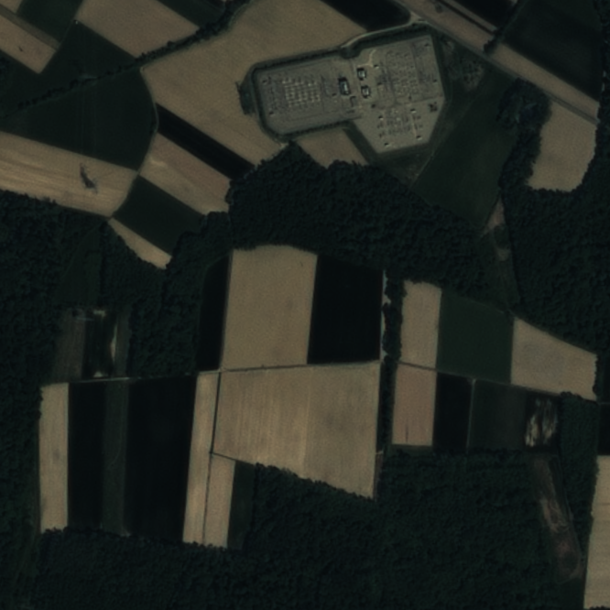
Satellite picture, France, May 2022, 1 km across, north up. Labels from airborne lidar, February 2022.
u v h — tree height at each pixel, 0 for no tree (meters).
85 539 21
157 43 0
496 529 25
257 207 18
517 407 0
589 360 0
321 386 0
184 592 28
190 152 0
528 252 18
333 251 15
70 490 0
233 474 0
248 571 7
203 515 0
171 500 0
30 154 0
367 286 0
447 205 0
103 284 15
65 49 0
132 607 16
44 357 23
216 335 0
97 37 0
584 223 22
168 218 0
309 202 12
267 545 23
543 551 18
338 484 0
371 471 0
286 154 5
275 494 19
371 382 0
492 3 0
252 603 26
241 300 0
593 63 0
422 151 0
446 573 23
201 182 0
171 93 0
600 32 0
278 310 0
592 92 0
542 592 22
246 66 0
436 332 0
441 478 25
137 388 0
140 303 25
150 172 0
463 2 0
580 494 20
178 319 13
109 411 0
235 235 15
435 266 26
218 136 0
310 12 0
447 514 20
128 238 0
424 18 0
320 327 0
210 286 0
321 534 23
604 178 17
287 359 0
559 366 0
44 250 25
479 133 0
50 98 13
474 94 0
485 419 0
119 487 0
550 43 0
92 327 0
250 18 0
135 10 0
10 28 0
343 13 0
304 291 0
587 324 24
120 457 0
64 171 0
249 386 0
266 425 0
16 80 0
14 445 18
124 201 0
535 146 23
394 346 18
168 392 0
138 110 0
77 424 0
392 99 0
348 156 0
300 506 25
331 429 0
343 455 0
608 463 0
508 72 0
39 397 17
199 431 0
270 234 16
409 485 17
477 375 0
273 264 0
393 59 0
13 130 0
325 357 0
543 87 0
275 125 0
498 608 16
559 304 26
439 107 0
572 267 15
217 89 0
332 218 13
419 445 0
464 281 25
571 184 0
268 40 0
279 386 0
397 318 23
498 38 17
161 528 0
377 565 26
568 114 0
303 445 0
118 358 0
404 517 23
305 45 0
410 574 24
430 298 0
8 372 27
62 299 0
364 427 0
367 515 22
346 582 22
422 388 0
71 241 8
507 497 19
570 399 20
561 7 0
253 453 0
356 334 0
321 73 0
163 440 0
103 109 0
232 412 0
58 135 0
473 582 21
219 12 0
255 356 0
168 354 26
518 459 21
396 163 0
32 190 0
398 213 24
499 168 0
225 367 0
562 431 19
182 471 0
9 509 27
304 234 17
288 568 30
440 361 0
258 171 7
